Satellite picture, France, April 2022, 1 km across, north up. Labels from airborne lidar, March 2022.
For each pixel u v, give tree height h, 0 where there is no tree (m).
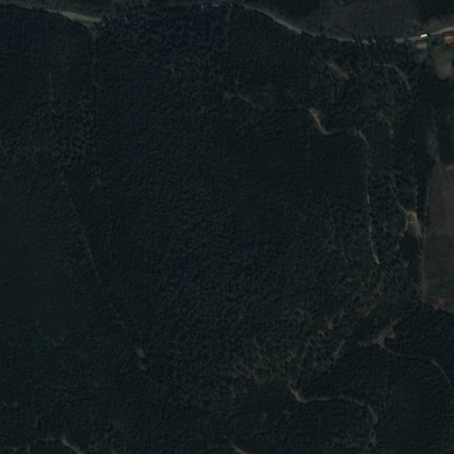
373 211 18
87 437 19
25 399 17
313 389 14
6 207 15
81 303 13
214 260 27
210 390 24
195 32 6
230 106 13
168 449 20
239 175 14
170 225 19
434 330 26
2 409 22
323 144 14
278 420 10
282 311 16
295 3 22
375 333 20
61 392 14
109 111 20
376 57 10
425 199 12
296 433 12
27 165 16
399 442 12
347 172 17
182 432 14
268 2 22
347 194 14
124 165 16
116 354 16
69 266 16
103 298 14
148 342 17
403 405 12
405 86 11
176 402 20
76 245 17
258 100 16
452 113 9
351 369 10
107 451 19
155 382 28
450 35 0
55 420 22
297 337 26
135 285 11
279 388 6
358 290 17
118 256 18
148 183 14
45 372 17
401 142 11
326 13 23
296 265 26
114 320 22
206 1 27
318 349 37
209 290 25
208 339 19
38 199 19
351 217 26
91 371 14
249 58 7
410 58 8
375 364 20
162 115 16
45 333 14
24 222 15
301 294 25
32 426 23
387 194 7
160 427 22
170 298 30
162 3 23
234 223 18
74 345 15
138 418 20
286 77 12
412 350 20
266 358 27
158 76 16
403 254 9
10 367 22
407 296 27
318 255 19
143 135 16
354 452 14
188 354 27
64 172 11
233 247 22
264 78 13
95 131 24
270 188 15
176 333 9
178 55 27
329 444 13
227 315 27
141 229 14
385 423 12
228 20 27
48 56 13
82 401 16
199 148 20
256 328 16
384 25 10
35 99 17
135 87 13
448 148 7
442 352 26
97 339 16
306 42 18
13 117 13
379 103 8
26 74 15
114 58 17
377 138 12
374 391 8
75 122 34
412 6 10
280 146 20
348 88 13
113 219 12
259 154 22
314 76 8
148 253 16
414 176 13
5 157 21
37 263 16
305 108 11
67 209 19
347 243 27
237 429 12
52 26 13
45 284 15
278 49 8
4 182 12
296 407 11
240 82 12
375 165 11
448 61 0
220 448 8
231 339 27
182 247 15
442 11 11
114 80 16
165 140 18
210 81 11
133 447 21
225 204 11
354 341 14
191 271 25
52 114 9
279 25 12
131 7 20
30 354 13
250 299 23
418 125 29
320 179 18
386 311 7
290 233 19
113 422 18
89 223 18
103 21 0
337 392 15
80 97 18
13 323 14
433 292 6
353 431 8
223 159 14
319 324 22
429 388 20
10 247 18
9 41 11
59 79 17
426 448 14
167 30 30
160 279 14
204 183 14
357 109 13
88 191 17
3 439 22
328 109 11
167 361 9
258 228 16
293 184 16
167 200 17
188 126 16
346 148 11
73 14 0
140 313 18
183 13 22
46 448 19
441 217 0
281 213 16
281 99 14
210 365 26
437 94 12
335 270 24
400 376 12
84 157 20
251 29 10
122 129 17
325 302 26
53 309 14
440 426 22
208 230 16
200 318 31
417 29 13
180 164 13
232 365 24
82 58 12
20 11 20
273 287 22
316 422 7
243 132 22
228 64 11
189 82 23
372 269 14
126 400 15
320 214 17
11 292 17
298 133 16
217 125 14
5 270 15
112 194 19
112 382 18
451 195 0
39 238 14
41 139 29
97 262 22
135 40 28
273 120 18
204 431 17
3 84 18
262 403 9
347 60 20
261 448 14
